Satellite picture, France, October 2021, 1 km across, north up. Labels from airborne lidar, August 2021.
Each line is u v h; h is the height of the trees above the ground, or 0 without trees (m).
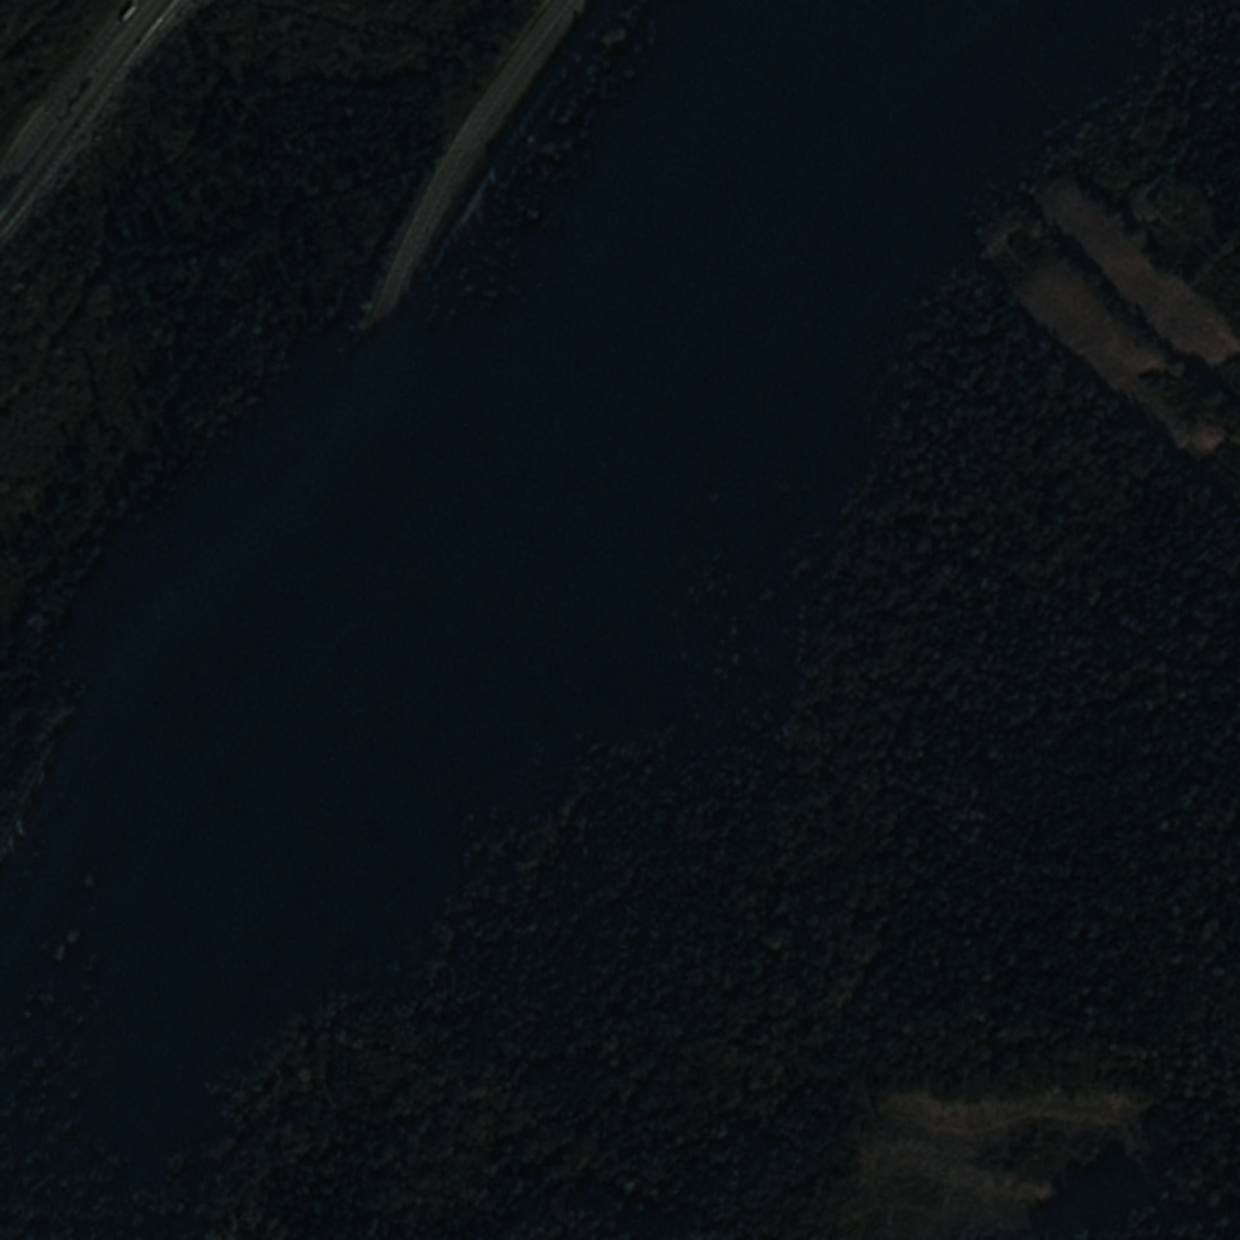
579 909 24
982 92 13
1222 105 25
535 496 19
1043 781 27
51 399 6
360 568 20
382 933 24
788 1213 26
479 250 9
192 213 9
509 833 20
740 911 22
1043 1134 7
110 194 8
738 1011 24
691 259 16
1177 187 20
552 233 30
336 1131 19
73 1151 22
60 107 0
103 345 21
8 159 0
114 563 11
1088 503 21
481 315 12
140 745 7
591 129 13
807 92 20
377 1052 17
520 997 32
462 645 23
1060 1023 22
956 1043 21
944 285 16
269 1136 19
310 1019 19
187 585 0
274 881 17
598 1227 23
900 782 30
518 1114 20
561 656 18
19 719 22
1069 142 7
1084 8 15
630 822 22
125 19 0
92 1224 18
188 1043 23
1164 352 14
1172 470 20
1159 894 26
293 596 8
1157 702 21
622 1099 24
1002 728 18
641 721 21
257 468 12
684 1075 17
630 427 21
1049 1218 0
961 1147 0
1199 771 20
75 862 8
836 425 17
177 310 28
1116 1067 18
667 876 22
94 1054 18
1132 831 28
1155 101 22
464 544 18
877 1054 15
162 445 21
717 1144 23
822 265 13
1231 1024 19
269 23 15
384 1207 24
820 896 16
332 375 15
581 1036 25
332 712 16
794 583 24
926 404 23
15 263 13
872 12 21
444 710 22
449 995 30
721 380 17
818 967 9
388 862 19
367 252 18
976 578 22
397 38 12
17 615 9
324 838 18
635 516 15
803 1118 25
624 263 10
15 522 10
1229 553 18
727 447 13
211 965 18
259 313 15
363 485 7
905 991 20
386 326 0
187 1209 15
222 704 22
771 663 21
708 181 26
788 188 17
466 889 21
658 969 30
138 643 0
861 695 15
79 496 26
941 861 25
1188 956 24
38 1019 16
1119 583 25
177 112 18
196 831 20
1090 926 28
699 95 15
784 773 15
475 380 8
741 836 23
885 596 23
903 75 15
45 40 14
